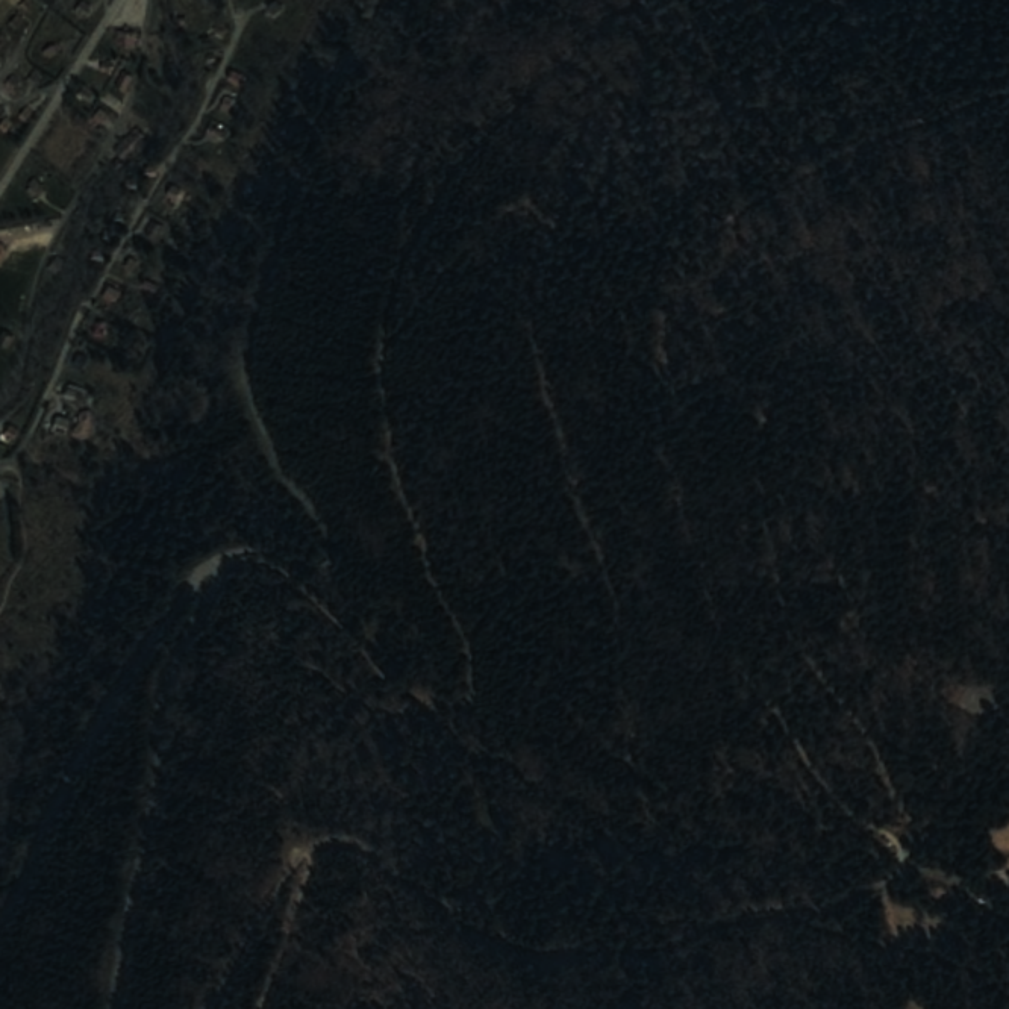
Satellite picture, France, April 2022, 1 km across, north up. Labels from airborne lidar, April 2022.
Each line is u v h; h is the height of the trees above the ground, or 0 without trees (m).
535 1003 26
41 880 17
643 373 26
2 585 6
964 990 26
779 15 7
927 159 20
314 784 15
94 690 11
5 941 20
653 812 7
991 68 35
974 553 22
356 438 16
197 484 32
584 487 31
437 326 21
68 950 23
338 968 8
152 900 14
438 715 11
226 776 11
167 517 16
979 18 27
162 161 17
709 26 33
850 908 26
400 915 27
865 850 29
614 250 28
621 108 7
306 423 17
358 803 24
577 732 19
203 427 10
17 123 12
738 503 24
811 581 25
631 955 19
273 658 13
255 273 25
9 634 7
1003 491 22
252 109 20
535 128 11
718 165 25
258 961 16
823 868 18
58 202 0
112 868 24
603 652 19
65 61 0
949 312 6
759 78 21
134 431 0
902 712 24
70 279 19
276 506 19
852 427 18
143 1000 14
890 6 30
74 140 0
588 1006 22
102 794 22
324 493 14
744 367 27
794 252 24
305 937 14
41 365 13
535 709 21
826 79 7
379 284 22
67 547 0
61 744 17
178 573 17
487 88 15
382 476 16
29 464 17
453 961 28
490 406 19
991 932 21
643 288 26
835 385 28
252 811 10
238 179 0
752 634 24
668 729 18
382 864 21
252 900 19
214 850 13
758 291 21
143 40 0
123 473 14
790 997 21
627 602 15
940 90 31
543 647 27
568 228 31
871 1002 21
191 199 0
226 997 8
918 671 20
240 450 16
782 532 23
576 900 7
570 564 18
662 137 26
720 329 14
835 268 16
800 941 21
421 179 10
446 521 24
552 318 24
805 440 21
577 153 10
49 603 0
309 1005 8
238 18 0
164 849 13
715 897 12
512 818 21
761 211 16
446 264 18
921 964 22
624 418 25
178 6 0
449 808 41
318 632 16
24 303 0
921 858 22
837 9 38
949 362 19
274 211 30
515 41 10
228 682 14
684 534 25
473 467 29
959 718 24
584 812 16
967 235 20
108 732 26
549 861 9
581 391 24
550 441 21
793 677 11
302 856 0
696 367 20
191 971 11
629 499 21
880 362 20
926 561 21
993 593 19
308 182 19
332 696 17
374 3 13
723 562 25
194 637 15
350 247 15
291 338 14
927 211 20
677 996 29
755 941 21
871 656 22
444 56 16
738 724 24
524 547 20
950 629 24
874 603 28
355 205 12
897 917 0
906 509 23
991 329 16
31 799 23
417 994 22
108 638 13
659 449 27
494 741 16
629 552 24
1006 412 18
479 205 13
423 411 30
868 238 14
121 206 14
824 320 17
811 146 7
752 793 10
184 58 9
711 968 26
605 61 29
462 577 18
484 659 19
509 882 15
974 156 20
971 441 16
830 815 29
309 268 20
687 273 12
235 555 0
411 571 15
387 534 17
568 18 11
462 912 31
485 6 22
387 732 9
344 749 29
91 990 19
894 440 26
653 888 34
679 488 26
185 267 17
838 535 19
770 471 19
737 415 30
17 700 11
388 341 7
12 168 0
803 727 22
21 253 0
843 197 29
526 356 25
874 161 20
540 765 16
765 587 23
